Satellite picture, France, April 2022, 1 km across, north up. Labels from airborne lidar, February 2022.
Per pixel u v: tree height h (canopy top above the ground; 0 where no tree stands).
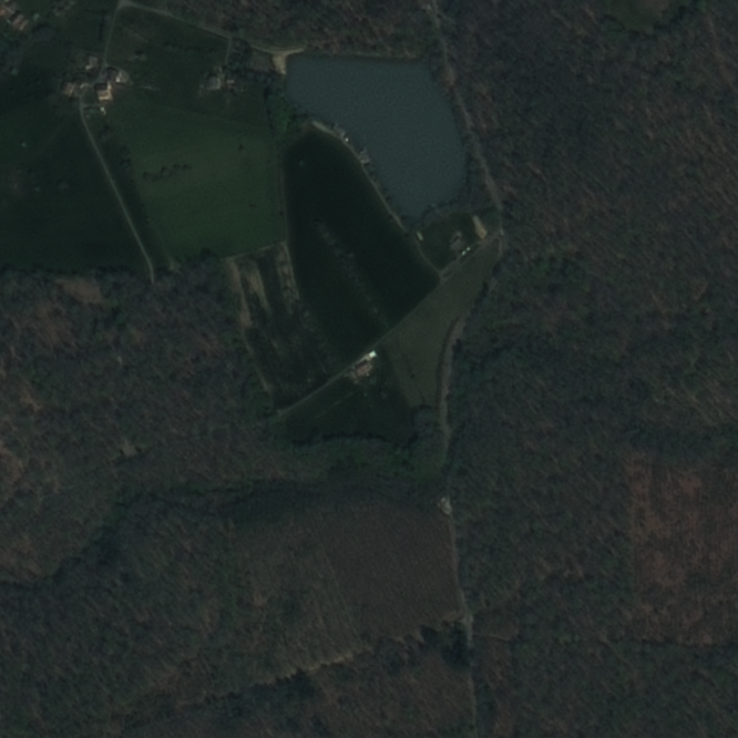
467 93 26
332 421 0
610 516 28
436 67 21
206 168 0
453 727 22
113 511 29
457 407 22
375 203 0
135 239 0
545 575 26
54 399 25
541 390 26
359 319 0
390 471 20
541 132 28
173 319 26
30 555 0
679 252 24
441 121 0
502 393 28
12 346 28
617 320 28
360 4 20
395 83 0
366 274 0
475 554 26
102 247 0
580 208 31
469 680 22
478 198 24
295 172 0
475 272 0
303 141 0
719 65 30
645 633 6
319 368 0
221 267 21
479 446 31
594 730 29
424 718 24
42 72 0
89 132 0
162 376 31
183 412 29
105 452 26
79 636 31
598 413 30
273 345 0
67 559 30
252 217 0
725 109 23
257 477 23
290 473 27
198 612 28
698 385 22
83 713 27
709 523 0
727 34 29
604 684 28
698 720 30
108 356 29
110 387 29
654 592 8
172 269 0
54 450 29
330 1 28
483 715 18
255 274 0
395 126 0
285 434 23
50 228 0
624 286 24
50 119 0
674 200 29
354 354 0
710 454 27
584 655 27
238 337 23
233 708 21
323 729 26
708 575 0
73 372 28
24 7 0
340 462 29
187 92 0
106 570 27
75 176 0
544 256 26
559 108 27
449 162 0
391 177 0
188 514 31
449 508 0
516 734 15
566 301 32
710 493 0
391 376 0
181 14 21
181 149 0
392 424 0
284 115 20
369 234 0
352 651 15
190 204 0
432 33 22
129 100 0
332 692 0
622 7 0
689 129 31
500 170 26
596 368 25
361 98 0
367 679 23
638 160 26
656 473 6
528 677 27
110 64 0
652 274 25
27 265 0
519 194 33
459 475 26
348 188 0
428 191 0
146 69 0
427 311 0
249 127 0
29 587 22
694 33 27
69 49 11
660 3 0
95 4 0
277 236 0
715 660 24
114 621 29
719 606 7
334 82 0
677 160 26
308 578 11
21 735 28
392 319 0
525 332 24
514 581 27
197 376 10
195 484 28
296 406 0
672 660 23
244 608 26
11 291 28
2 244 0
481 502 31
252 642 10
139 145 0
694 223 26
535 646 26
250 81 8
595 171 26
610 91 25
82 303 0
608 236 28
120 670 29
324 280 0
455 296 0
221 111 0
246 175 0
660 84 30
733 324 26
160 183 0
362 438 16
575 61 27
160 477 29
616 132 27
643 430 21
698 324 28
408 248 0
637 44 26
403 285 0
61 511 28
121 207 0
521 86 28
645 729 31
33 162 0
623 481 27
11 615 28
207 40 0
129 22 0
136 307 27
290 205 0
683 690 31
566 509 30
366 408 0
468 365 24
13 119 0
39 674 29
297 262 0
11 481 32
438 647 20
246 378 26
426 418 24
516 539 28
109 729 0
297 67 0
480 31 27
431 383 0
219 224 0
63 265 0
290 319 0
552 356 23
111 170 0
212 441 27
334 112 0
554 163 29
